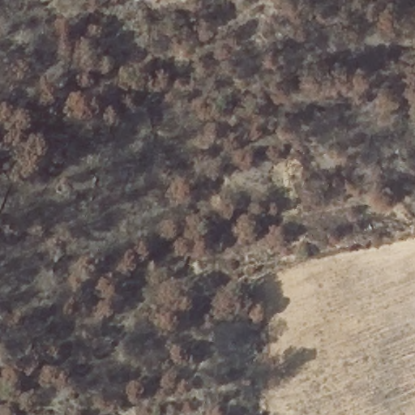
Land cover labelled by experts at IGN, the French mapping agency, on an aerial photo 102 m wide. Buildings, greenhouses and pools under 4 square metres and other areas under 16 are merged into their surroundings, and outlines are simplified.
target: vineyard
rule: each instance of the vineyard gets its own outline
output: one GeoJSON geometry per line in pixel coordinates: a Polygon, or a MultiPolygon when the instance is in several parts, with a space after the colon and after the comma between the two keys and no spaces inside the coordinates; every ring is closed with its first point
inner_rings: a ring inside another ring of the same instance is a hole
{"type": "Polygon", "coordinates": [[[264,285],[267,295],[267,302],[261,306],[261,319],[267,323],[269,336],[277,339],[277,342],[266,345],[263,352],[255,352],[255,362],[269,376],[269,389],[261,394],[259,400],[259,409],[269,412],[269,415],[415,415],[415,238],[379,248],[308,259],[298,267],[279,272],[277,277],[269,274],[263,279],[258,279],[258,282],[264,285]]]}

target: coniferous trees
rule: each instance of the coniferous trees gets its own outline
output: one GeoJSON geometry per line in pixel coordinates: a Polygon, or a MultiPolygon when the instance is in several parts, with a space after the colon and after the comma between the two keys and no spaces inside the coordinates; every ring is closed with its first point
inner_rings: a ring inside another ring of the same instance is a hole
{"type": "Polygon", "coordinates": [[[28,225],[16,220],[0,220],[0,245],[18,245],[19,242],[26,240],[28,233],[41,235],[42,227],[32,225],[29,229],[28,225]]]}
{"type": "Polygon", "coordinates": [[[62,371],[55,368],[57,358],[52,357],[49,352],[34,362],[18,362],[11,360],[10,353],[6,352],[3,344],[0,344],[0,415],[269,415],[269,412],[259,409],[259,400],[261,394],[269,389],[269,376],[255,362],[255,352],[263,352],[266,345],[277,342],[277,339],[269,336],[267,323],[261,319],[261,306],[267,302],[267,295],[264,285],[258,282],[258,279],[263,279],[269,274],[277,277],[279,272],[298,267],[308,259],[379,248],[415,238],[415,0],[34,0],[42,2],[42,6],[31,10],[32,16],[47,18],[52,13],[57,15],[57,63],[42,73],[39,81],[26,91],[32,96],[28,109],[11,110],[6,104],[0,104],[0,190],[8,190],[21,196],[18,199],[19,204],[28,204],[32,201],[65,201],[70,198],[70,191],[66,186],[68,177],[99,164],[99,156],[89,154],[92,144],[101,143],[102,139],[109,138],[112,148],[125,149],[126,146],[131,146],[133,151],[138,152],[143,148],[144,136],[148,135],[151,126],[159,128],[157,135],[164,139],[165,144],[173,146],[183,159],[195,165],[183,170],[180,175],[167,175],[164,170],[156,169],[152,165],[154,172],[151,180],[156,185],[156,190],[149,191],[148,196],[131,203],[110,206],[112,211],[123,209],[125,219],[109,232],[94,232],[91,238],[86,240],[75,238],[68,232],[76,225],[75,220],[66,220],[55,225],[52,237],[39,245],[39,250],[49,251],[50,258],[58,261],[60,248],[57,243],[66,242],[68,253],[76,253],[79,256],[78,261],[71,263],[70,276],[65,272],[53,274],[53,271],[47,269],[39,272],[34,277],[37,280],[37,289],[41,289],[39,295],[32,298],[31,302],[19,305],[11,313],[0,313],[0,323],[8,326],[18,324],[23,314],[31,313],[39,306],[50,306],[55,303],[60,306],[57,314],[58,323],[70,324],[81,318],[89,318],[89,324],[99,324],[105,316],[109,316],[110,310],[113,310],[118,313],[115,318],[118,326],[133,327],[138,321],[151,319],[157,326],[157,336],[162,336],[165,340],[162,349],[148,350],[138,358],[125,355],[125,347],[117,345],[115,355],[118,362],[130,365],[131,368],[138,368],[143,376],[160,378],[159,391],[156,392],[156,396],[148,399],[136,397],[136,381],[126,384],[126,396],[130,400],[128,410],[123,410],[120,404],[104,402],[101,392],[96,389],[89,389],[86,392],[78,387],[71,389],[71,379],[66,378],[62,371]]]}

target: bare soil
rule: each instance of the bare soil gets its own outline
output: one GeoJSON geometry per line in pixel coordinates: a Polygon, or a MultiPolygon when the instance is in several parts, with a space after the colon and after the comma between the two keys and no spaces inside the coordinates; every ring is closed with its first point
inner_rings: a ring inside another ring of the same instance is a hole
{"type": "Polygon", "coordinates": [[[52,13],[47,18],[32,16],[31,10],[42,6],[42,2],[34,0],[0,0],[0,104],[6,104],[11,110],[28,109],[32,96],[26,91],[39,81],[42,73],[57,63],[57,15],[52,13]]]}
{"type": "Polygon", "coordinates": [[[78,387],[86,392],[89,389],[96,389],[101,392],[104,402],[120,404],[123,410],[128,410],[130,400],[126,396],[126,384],[136,381],[136,397],[148,399],[156,396],[156,392],[159,391],[160,378],[143,376],[138,368],[131,368],[130,365],[118,362],[115,355],[117,345],[125,347],[125,355],[138,358],[148,350],[162,349],[165,340],[162,336],[157,336],[157,326],[151,319],[138,321],[133,327],[118,326],[115,318],[118,313],[113,310],[110,310],[109,316],[105,316],[99,324],[89,324],[89,318],[81,318],[70,324],[58,323],[57,314],[60,306],[55,303],[50,306],[39,306],[31,313],[23,314],[18,324],[8,326],[0,323],[0,344],[3,344],[6,352],[10,353],[11,360],[18,362],[34,362],[49,352],[52,357],[57,358],[55,368],[62,371],[66,378],[71,379],[71,389],[78,387]]]}
{"type": "Polygon", "coordinates": [[[0,220],[16,220],[28,225],[29,229],[32,225],[42,227],[41,235],[28,233],[26,240],[19,242],[18,245],[0,245],[0,313],[11,313],[19,305],[31,302],[32,298],[39,295],[41,289],[37,289],[37,280],[34,277],[39,272],[47,269],[53,271],[53,274],[65,272],[70,276],[71,263],[78,261],[79,256],[76,253],[68,253],[66,242],[57,243],[60,248],[58,261],[50,258],[49,251],[39,250],[39,245],[52,237],[55,225],[66,220],[75,220],[76,225],[68,232],[75,238],[86,240],[91,238],[94,232],[109,232],[125,219],[123,209],[112,211],[110,206],[131,203],[148,196],[149,191],[156,190],[156,185],[151,180],[154,172],[152,165],[156,169],[164,170],[167,175],[180,175],[183,170],[195,165],[183,159],[173,146],[165,144],[164,139],[157,135],[159,128],[151,126],[148,135],[144,136],[143,148],[138,152],[133,151],[131,146],[126,146],[125,149],[112,148],[109,138],[102,139],[101,143],[92,144],[89,154],[99,156],[99,164],[68,177],[66,186],[70,191],[70,198],[65,201],[32,201],[28,204],[19,204],[18,199],[21,196],[8,190],[0,190],[0,220]]]}

